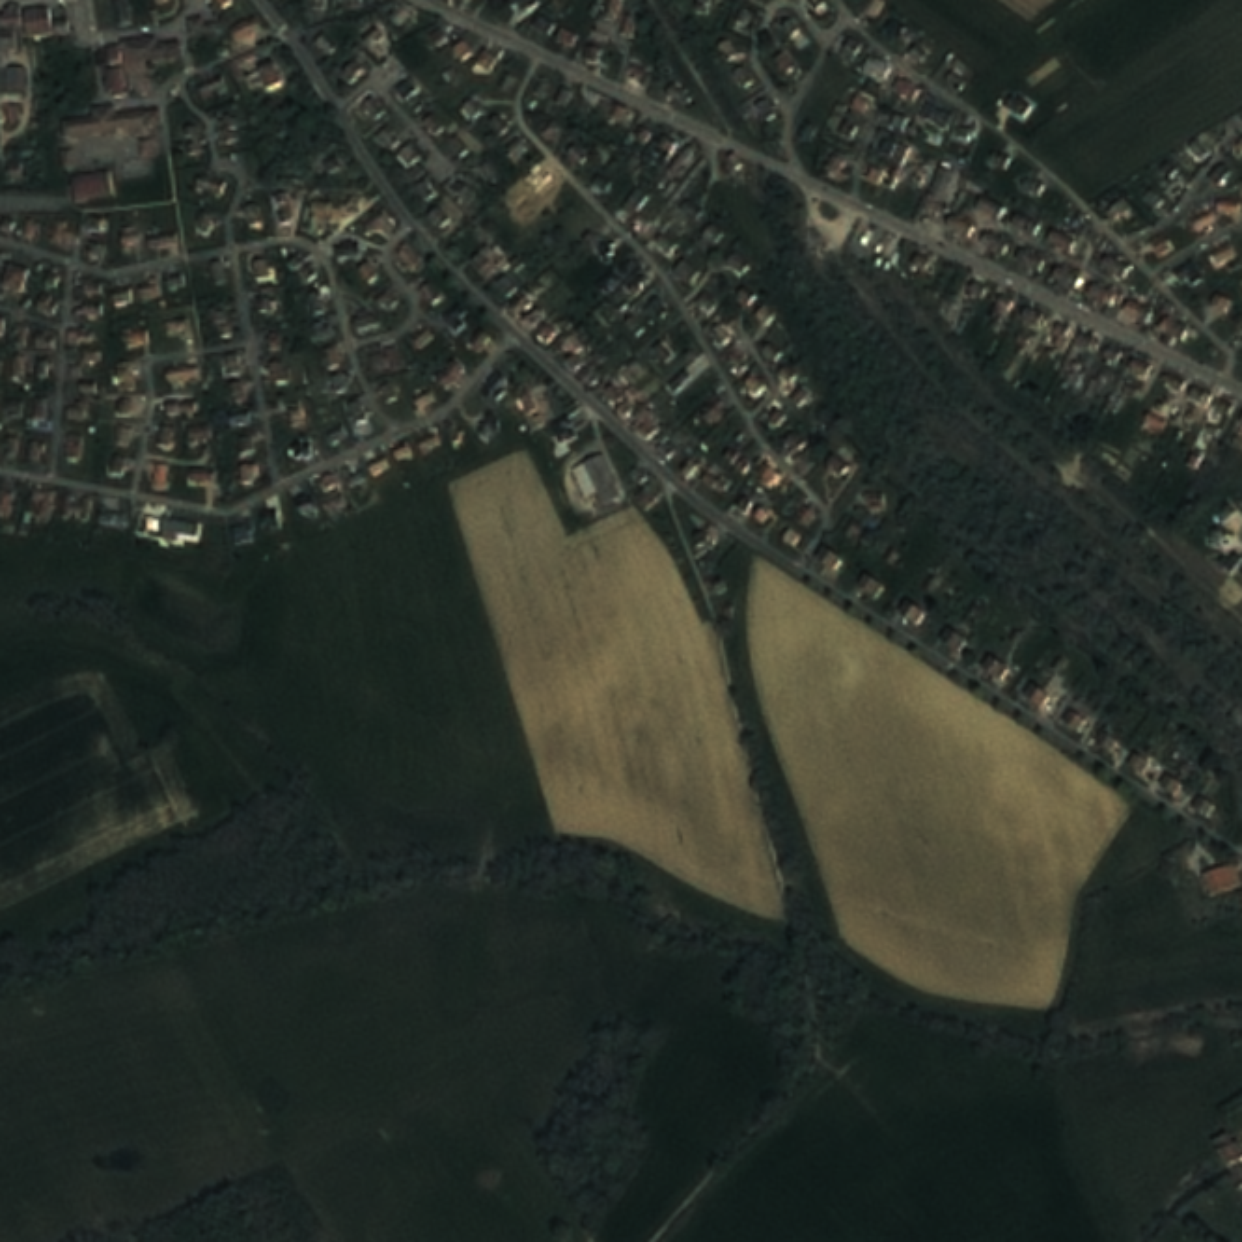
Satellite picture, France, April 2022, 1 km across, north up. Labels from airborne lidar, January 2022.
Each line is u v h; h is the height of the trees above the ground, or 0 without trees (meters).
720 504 0
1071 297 0
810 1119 0
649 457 0
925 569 0
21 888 0
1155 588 0
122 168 0
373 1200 0
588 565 0
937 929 0
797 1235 0
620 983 0
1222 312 0
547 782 0
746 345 0
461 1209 0
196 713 0
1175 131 0
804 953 21
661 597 0
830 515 0
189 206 0
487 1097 0
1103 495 0
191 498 0
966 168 0
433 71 0
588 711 0
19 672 0
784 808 7
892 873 0
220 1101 0
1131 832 0
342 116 12
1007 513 16
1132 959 0
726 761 0
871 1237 0
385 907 0
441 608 0
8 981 16
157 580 0
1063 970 0
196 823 0
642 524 0
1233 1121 0
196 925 15
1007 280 0
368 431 0
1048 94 0
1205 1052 0
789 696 0
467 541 0
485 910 0
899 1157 0
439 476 0
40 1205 0
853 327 7
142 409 0
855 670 0
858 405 7
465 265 0
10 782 0
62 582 0
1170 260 0
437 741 0
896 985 0
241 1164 0
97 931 16
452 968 0
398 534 0
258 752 0
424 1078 0
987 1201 0
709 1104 0
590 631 0
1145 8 0
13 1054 0
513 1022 0
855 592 0
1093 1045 15
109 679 0
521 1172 0
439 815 0
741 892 0
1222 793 0
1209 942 0
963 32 0
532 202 0
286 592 0
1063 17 0
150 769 0
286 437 0
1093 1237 0
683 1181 0
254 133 7
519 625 0
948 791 0
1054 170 0
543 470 0
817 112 0
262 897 19
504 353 0
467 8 0
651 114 0
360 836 0
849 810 0
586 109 0
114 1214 0
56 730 0
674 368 0
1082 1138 0
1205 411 0
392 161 9
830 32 0
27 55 0
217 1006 0
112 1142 0
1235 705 0
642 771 0
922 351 6
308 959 0
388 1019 0
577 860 15
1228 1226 0
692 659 0
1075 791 0
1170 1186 0
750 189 0
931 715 0
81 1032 0
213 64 0
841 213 0
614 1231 0
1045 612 5
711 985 0
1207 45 0
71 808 0
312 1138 0
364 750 0
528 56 0
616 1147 25
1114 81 0
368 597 0
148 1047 0
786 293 6
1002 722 0
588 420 0
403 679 0
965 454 0
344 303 0
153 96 0
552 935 0
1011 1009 0
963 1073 0
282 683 0
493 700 0
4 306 0
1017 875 0
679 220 0
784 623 0
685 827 0
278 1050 0
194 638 0
